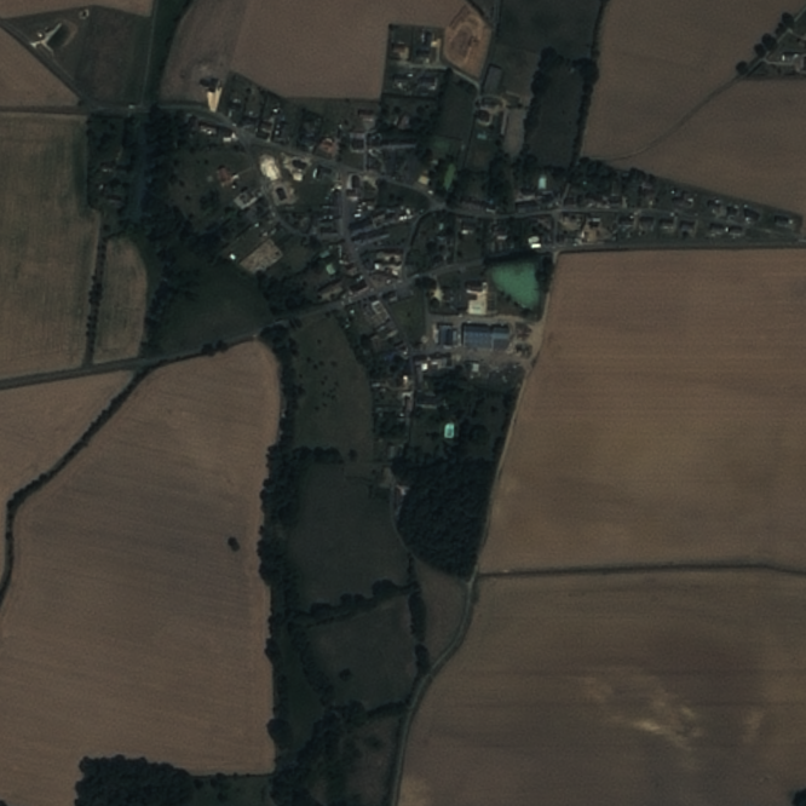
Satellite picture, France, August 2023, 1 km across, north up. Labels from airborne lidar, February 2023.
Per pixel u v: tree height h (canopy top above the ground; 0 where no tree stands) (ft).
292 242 0
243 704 0
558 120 0
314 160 0
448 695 0
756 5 0
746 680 0
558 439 0
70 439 0
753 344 0
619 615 0
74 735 0
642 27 0
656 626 0
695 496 0
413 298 0
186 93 0
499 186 45
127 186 28
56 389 0
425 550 45
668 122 0
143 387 0
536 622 0
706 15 0
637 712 0
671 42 0
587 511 0
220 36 0
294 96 0
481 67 0
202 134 0
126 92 0
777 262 0
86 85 0
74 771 0
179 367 0
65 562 0
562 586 0
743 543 0
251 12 0
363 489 0
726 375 0
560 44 0
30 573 0
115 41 0
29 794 0
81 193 0
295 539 0
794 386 0
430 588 0
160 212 73
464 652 0
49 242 0
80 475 0
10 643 0
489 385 0
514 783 0
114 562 0
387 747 0
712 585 0
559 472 0
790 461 0
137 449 0
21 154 0
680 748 0
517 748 0
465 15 0
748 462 0
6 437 0
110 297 0
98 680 0
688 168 0
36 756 0
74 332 0
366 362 24
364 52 0
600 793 0
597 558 0
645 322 0
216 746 0
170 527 0
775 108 0
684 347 0
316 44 0
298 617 51
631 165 0
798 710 0
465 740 0
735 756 0
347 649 0
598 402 0
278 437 0
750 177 0
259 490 0
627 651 0
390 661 0
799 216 0
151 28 0
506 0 0
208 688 0
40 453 0
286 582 22
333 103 0
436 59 0
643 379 0
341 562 0
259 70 0
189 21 0
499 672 0
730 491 0
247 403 0
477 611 0
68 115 0
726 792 0
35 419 0
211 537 0
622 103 0
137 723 0
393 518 0
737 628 0
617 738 0
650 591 0
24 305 0
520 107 18
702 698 0
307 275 25
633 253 0
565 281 0
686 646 0
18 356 0
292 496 47
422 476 63
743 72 31
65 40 0
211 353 37
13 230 0
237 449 0
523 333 0
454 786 0
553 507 0
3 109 0
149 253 0
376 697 0
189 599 0
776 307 0
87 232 0
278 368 0
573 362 0
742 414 0
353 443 0
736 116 0
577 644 0
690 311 0
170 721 0
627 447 0
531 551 0
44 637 0
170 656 0
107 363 0
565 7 0
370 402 0
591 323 0
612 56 0
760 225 0
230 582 0
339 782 0
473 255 0
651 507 0
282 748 20
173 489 0
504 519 0
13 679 0
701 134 0
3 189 0
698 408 0
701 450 0
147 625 0
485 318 0
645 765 0
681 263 0
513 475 0
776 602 0
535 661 0
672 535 0
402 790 0
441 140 0
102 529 0
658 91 0
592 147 0
